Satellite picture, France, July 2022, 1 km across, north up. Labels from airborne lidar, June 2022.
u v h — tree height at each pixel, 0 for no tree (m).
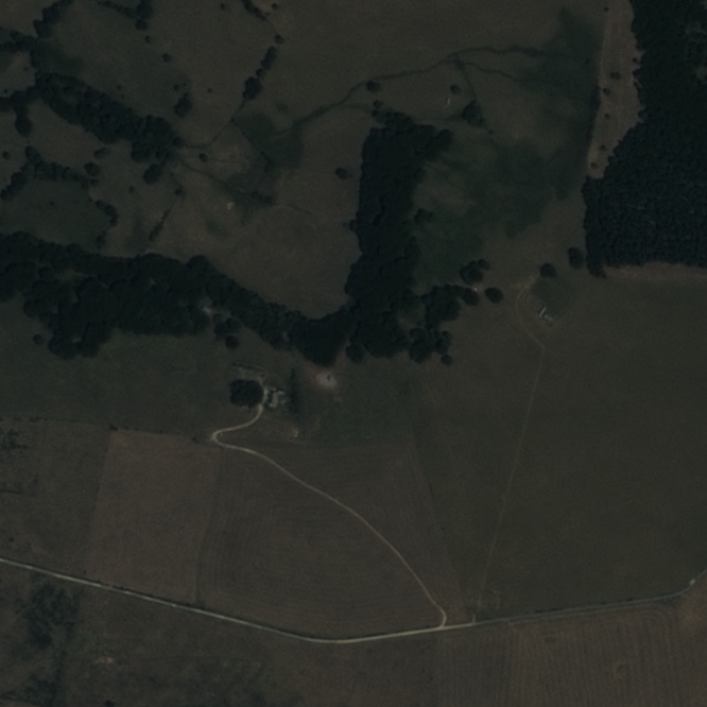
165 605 0
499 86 0
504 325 0
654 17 13
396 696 0
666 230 20
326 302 0
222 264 0
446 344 14
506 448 0
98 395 0
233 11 0
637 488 0
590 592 0
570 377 0
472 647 0
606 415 0
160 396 0
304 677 0
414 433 0
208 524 0
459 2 0
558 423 0
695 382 0
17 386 0
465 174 0
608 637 0
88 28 0
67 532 0
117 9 8
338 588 0
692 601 0
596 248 20
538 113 0
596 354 0
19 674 0
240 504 0
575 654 0
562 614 0
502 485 0
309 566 0
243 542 0
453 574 0
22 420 0
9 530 0
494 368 0
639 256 21
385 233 21
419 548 0
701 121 12
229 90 0
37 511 0
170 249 0
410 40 0
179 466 0
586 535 0
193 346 0
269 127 0
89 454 0
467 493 0
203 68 0
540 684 0
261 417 0
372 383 0
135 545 0
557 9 0
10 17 0
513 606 0
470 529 0
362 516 0
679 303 0
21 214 0
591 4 0
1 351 0
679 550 0
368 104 0
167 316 20
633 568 0
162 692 0
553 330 0
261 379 0
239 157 0
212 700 0
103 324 15
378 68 0
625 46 0
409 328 0
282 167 0
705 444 0
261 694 0
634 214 20
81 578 0
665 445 0
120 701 0
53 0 0
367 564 0
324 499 0
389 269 20
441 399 0
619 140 0
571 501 0
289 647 0
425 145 16
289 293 0
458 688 0
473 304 11
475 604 0
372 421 0
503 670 0
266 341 9
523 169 0
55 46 0
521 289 0
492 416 0
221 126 0
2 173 0
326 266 0
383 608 0
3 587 0
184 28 0
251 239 0
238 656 0
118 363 0
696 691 0
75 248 15
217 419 0
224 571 0
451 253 0
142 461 0
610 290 0
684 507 0
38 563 0
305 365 0
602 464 0
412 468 0
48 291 18
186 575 0
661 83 12
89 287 19
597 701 0
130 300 20
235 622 0
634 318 0
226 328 13
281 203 0
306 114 0
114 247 0
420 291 0
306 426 0
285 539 0
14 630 0
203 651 0
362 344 14
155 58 0
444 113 0
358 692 0
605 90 7
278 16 0
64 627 0
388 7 0
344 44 0
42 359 0
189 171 0
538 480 0
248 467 0
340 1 0
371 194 19
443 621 0
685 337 0
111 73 0
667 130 11
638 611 0
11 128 0
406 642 0
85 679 0
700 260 17
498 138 0
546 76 0
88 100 13
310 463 0
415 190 8
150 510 0
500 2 0
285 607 0
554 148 0
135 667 0
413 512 0
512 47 0
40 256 9
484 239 0
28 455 0
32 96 15
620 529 0
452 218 0
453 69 0
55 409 0
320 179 0
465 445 0
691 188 9
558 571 0
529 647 0
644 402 0
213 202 0
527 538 0
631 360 0
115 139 15
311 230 0
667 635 0
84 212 0
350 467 0
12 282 19
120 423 0
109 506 0
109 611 0
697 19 11
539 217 0
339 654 0
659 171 15
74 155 0
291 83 0
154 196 0
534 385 0
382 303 20
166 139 16
